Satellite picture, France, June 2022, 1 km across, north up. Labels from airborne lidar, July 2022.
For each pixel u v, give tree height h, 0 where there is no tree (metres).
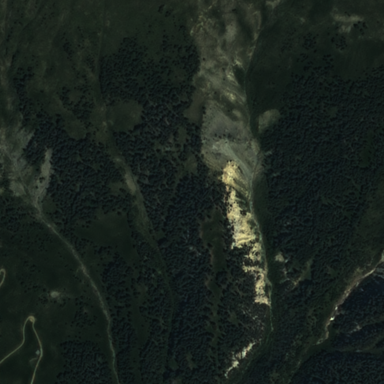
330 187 24
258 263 8
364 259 6
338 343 9
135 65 13
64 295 0
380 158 21
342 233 26
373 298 17
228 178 0
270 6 0
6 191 8
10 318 0
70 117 0
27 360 0
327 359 15
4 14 0
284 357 8
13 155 0
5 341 0
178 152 9
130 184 0
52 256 0
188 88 12
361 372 21
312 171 23
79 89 8
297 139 17
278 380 12
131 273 16
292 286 7
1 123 0
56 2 0
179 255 14
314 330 13
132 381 12
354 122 20
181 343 31
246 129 0
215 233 0
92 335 0
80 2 0
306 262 15
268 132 10
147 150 22
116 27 0
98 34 0
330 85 14
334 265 26
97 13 0
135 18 0
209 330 0
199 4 0
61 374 19
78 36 0
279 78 0
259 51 0
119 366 12
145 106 22
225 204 12
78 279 7
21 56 0
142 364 17
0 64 0
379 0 0
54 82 0
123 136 27
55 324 0
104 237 0
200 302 26
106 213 16
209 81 0
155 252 8
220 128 0
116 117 0
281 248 8
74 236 15
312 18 0
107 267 12
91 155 18
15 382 0
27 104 9
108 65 12
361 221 16
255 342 8
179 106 20
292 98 13
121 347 12
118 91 10
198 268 21
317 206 26
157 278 8
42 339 0
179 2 0
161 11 10
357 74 0
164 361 9
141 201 0
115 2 0
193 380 28
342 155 17
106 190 17
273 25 0
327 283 27
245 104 0
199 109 0
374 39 0
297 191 25
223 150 0
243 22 0
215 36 0
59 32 0
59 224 15
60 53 0
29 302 0
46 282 0
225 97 0
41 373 0
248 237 0
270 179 22
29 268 9
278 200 21
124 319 16
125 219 0
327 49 0
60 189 26
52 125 26
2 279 0
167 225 34
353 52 0
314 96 18
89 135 17
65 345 17
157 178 21
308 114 15
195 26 0
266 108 0
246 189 0
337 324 7
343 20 0
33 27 0
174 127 24
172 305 11
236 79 0
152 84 11
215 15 0
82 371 25
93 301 0
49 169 0
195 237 20
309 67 8
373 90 15
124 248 0
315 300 29
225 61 0
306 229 25
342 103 15
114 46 0
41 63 0
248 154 0
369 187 23
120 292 18
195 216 25
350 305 7
